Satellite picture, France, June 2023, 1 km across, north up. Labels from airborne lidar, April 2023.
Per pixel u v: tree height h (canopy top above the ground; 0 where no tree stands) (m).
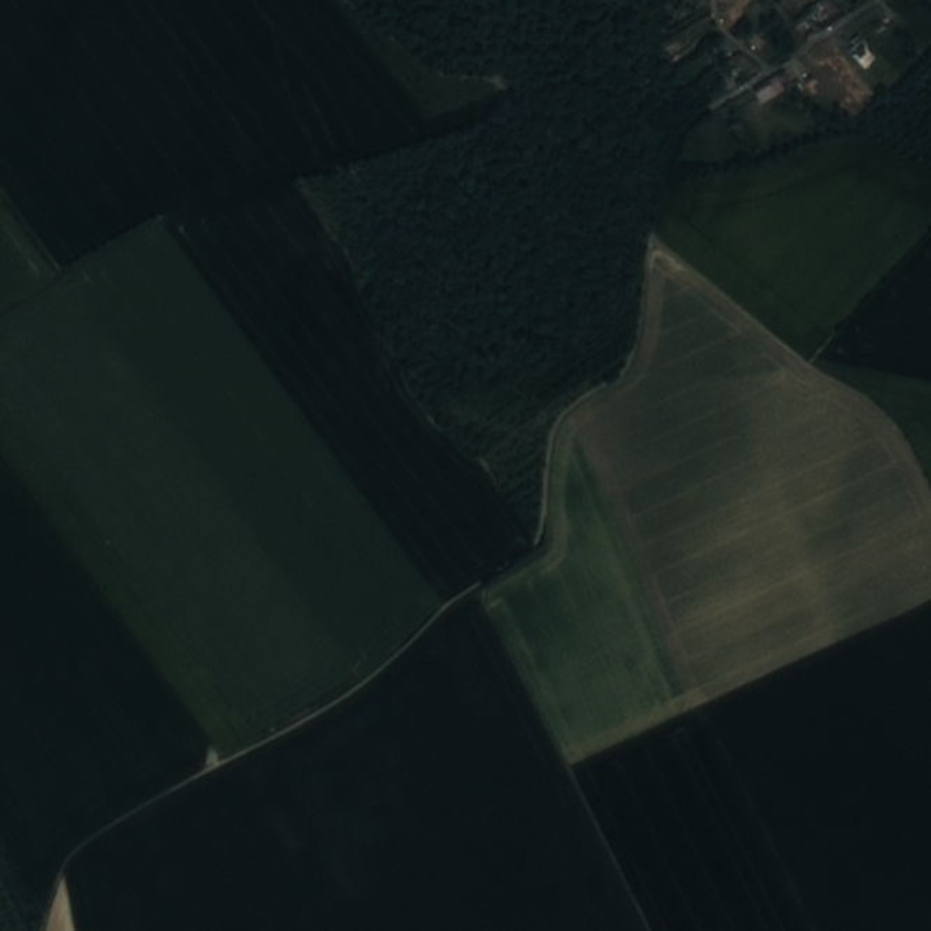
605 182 26
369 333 0
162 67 0
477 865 0
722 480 0
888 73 0
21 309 0
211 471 0
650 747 0
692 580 0
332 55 0
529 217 27
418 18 23
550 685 0
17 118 0
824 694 0
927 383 0
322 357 0
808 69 9
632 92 25
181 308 0
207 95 0
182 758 0
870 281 0
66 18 0
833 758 0
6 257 0
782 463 0
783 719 0
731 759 0
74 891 0
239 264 0
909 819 0
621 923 0
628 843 0
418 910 0
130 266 0
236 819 0
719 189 0
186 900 0
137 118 0
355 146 0
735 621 0
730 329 0
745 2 0
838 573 0
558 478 0
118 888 0
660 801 0
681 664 0
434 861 0
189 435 0
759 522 0
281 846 0
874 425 0
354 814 0
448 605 0
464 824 0
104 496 0
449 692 0
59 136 0
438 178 21
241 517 0
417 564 0
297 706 0
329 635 0
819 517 0
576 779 0
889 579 0
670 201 0
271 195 0
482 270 26
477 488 0
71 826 0
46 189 0
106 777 0
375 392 0
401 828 0
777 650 0
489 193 25
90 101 0
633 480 0
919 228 0
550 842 0
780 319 0
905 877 0
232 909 0
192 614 0
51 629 0
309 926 0
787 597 0
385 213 10
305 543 0
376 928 0
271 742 0
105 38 0
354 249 14
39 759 0
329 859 0
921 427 0
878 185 0
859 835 0
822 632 0
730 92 0
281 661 0
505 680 0
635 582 0
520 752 0
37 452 0
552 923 0
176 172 0
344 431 0
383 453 0
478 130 11
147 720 0
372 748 0
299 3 0
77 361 0
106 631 0
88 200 0
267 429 0
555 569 0
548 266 25
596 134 17
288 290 0
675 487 0
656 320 0
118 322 0
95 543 0
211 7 0
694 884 0
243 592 0
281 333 0
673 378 0
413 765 0
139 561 0
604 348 13
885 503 0
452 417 8
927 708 0
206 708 0
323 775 0
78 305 0
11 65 0
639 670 0
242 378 0
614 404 0
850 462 0
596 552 0
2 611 0
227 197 0
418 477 0
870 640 0
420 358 21
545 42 19
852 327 0
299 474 0
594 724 0
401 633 0
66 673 0
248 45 0
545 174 24
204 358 0
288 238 0
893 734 0
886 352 0
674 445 0
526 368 16
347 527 0
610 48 25
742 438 0
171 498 0
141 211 0
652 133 22
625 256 22
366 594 0
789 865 0
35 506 0
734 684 0
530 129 25
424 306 21
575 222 27
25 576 0
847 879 0
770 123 0
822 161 0
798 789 0
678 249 0
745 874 0
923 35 0
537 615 0
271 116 0
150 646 0
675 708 0
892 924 0
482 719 0
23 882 10
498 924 0
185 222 0
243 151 0
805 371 0
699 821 0
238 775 0
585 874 0
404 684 0
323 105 0
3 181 0
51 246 0
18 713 0
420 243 24
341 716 0
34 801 0
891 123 16
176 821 0
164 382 0
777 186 0
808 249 0
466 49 18
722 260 0
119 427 0
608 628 0
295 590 0
